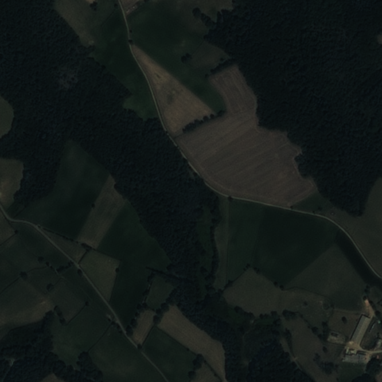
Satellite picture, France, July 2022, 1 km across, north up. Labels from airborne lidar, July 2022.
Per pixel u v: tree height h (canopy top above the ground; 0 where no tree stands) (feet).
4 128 0
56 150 61
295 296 0
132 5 0
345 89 57
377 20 84
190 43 0
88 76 72
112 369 0
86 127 41
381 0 85
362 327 0
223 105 0
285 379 62
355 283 0
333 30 19
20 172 0
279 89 86
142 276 0
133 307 0
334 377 0
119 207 0
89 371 74
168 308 37
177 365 0
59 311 25
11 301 0
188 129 46
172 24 0
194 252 31
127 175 79
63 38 25
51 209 0
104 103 53
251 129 0
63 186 0
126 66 0
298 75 67
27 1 49
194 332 0
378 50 58
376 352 0
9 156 52
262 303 0
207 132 0
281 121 66
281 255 0
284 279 0
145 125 48
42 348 32
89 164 0
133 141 71
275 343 81
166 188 70
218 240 0
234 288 0
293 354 0
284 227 0
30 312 0
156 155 47
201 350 0
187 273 84
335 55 30
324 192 56
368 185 54
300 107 89
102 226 0
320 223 0
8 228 0
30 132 96
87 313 0
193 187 59
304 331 0
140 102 0
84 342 0
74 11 0
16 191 0
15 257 0
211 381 0
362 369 0
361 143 75
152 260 0
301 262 0
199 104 0
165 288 0
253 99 0
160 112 0
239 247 0
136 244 0
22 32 60
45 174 82
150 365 0
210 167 0
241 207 0
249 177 0
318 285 0
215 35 72
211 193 43
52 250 0
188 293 83
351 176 68
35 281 0
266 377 84
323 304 0
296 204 0
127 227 0
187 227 48
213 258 34
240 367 75
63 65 28
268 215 0
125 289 0
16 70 74
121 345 0
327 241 0
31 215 0
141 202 60
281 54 92
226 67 38
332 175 80
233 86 0
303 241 0
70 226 0
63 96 59
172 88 0
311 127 92
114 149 25
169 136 43
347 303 0
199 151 0
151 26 0
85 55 39
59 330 0
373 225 0
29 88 70
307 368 0
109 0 0
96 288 0
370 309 0
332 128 83
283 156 0
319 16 43
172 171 36
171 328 0
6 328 0
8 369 46
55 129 58
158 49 0
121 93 26
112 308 0
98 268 0
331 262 0
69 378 56
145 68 0
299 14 78
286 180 0
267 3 94
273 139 0
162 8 0
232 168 0
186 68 0
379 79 33
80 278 0
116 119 66
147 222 41
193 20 0
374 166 54
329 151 74
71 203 0
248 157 0
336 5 55
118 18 0
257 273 37
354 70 43
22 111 42
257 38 82
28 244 0
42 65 64
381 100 86
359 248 0
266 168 0
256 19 94
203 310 94
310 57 60
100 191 0
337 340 0
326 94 69
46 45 41
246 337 0
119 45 0
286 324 0
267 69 87
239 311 59
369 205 0
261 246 0
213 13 0
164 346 0
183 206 56
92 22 0
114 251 0
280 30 72
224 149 0
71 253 0
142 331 0
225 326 85
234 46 99
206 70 0
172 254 63
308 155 58
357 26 64
